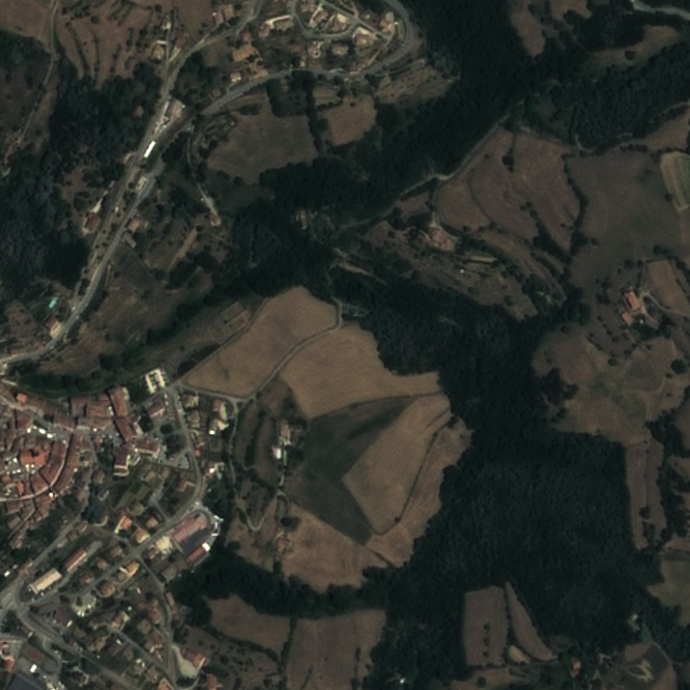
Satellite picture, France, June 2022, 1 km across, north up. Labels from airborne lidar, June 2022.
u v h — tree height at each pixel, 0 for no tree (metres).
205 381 0
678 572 0
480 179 0
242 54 0
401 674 19
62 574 13
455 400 16
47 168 25
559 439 16
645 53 0
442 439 0
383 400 0
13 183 9
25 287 12
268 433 0
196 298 0
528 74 12
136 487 0
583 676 9
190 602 11
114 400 0
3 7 0
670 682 0
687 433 0
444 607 12
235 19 9
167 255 0
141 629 0
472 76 17
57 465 0
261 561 0
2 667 10
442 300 14
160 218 7
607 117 12
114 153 26
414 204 0
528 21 0
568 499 17
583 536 12
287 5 0
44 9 0
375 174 12
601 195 0
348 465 0
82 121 17
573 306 18
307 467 0
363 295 16
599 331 0
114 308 0
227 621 0
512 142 0
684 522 11
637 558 8
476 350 22
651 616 17
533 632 0
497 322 14
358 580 0
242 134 0
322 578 0
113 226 7
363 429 0
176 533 0
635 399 0
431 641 23
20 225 23
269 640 0
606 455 15
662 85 15
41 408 0
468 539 16
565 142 7
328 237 9
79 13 7
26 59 10
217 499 11
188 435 0
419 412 0
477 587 14
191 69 10
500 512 16
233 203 0
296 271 21
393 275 11
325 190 18
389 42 0
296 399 0
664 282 0
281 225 14
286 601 16
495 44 9
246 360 0
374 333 10
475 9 14
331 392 0
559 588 5
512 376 7
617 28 8
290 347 0
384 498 0
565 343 0
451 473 23
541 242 13
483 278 8
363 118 0
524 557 15
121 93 19
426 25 12
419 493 0
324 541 0
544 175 0
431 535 19
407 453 0
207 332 0
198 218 11
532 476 9
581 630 11
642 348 0
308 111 9
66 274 13
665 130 0
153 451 0
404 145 15
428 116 14
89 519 21
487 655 9
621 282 0
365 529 0
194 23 0
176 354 0
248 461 10
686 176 0
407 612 13
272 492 8
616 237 0
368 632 0
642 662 0
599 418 0
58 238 16
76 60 0
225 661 11
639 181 0
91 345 0
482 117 17
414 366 9
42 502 0
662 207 0
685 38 0
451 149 17
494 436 23
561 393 10
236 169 0
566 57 13
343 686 0
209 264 19
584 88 13
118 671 0
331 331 0
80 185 0
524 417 15
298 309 0
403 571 15
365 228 7
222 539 15
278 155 0
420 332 13
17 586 0
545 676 6
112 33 0
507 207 0
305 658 0
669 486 7
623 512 13
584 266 0
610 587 12
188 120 6
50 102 0
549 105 0
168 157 18
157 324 0
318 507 0
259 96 0
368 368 0
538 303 7
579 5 0
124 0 10
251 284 14
